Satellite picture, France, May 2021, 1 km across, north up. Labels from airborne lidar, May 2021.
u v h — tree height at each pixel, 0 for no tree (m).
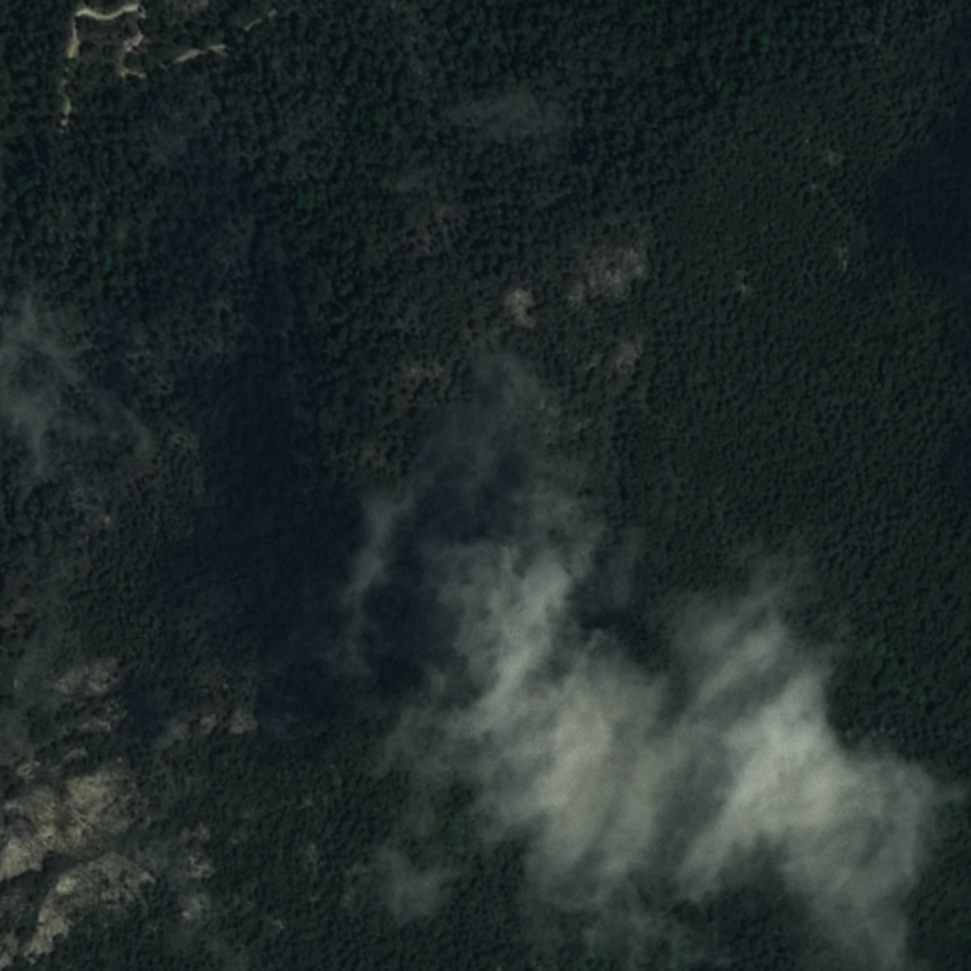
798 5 18
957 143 16
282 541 28
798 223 22
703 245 20
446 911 21
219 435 11
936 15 15
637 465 20
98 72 18
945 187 24
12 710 13
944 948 6
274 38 8
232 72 8
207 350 13
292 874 10
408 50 14
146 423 21
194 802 18
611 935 23
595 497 21
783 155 25
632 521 17
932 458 20
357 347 25
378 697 24
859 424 17
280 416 33
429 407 22
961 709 28
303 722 10
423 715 7
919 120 25
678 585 18
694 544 19
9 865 0
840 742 19
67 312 19
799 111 14
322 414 33
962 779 17
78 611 18
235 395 13
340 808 19
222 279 21
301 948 20
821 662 23
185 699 22
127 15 7
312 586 17
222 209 14
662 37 17
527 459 24
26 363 23
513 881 17
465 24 18
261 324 20
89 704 10
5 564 19
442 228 14
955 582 25
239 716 16
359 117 19
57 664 11
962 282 6
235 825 8
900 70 15
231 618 21
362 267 29
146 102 7
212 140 14
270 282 23
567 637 7
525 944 18
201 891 14
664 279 17
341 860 22
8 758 0
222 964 19
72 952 14
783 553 19
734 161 20
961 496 20
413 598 27
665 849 21
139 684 14
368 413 18
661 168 8
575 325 7
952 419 19
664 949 13
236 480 29
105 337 13
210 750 18
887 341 10
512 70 23
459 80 19
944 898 17
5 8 32
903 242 15
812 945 16
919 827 19
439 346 11
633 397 19
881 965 17
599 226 15
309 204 21
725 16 17
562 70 17
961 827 12
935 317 7
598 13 20
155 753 19
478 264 25
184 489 14
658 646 16
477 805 13
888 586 6
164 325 17
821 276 20
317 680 15
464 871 19
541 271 11
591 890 20
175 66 34
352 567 17
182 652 21
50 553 22
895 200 20
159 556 20
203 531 15
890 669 18
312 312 30
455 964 17
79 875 0
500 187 18
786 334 19
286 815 15
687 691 15
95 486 9
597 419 12
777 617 18
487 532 25
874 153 21
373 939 28
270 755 12
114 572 19
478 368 22
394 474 12
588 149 20
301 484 31
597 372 15
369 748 18
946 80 24
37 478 21
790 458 11
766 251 23
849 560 20
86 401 15
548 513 6
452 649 19
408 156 16
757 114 21
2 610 21
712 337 24
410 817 21
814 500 18
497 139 17
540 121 20
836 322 20
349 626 10
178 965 18
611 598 15
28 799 0
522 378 22
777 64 17
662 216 15
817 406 22
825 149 12
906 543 15
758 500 7
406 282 20
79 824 0
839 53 22
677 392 18
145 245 24
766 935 19
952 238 7
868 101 23
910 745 24
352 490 19
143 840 7
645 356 11
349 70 27
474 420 13
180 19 14
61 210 9
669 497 21
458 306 12
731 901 18
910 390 20
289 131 15
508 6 22
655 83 9
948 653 18
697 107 17
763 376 27
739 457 22
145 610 16
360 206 24
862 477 18
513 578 12
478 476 24
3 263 18
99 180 18
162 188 32
